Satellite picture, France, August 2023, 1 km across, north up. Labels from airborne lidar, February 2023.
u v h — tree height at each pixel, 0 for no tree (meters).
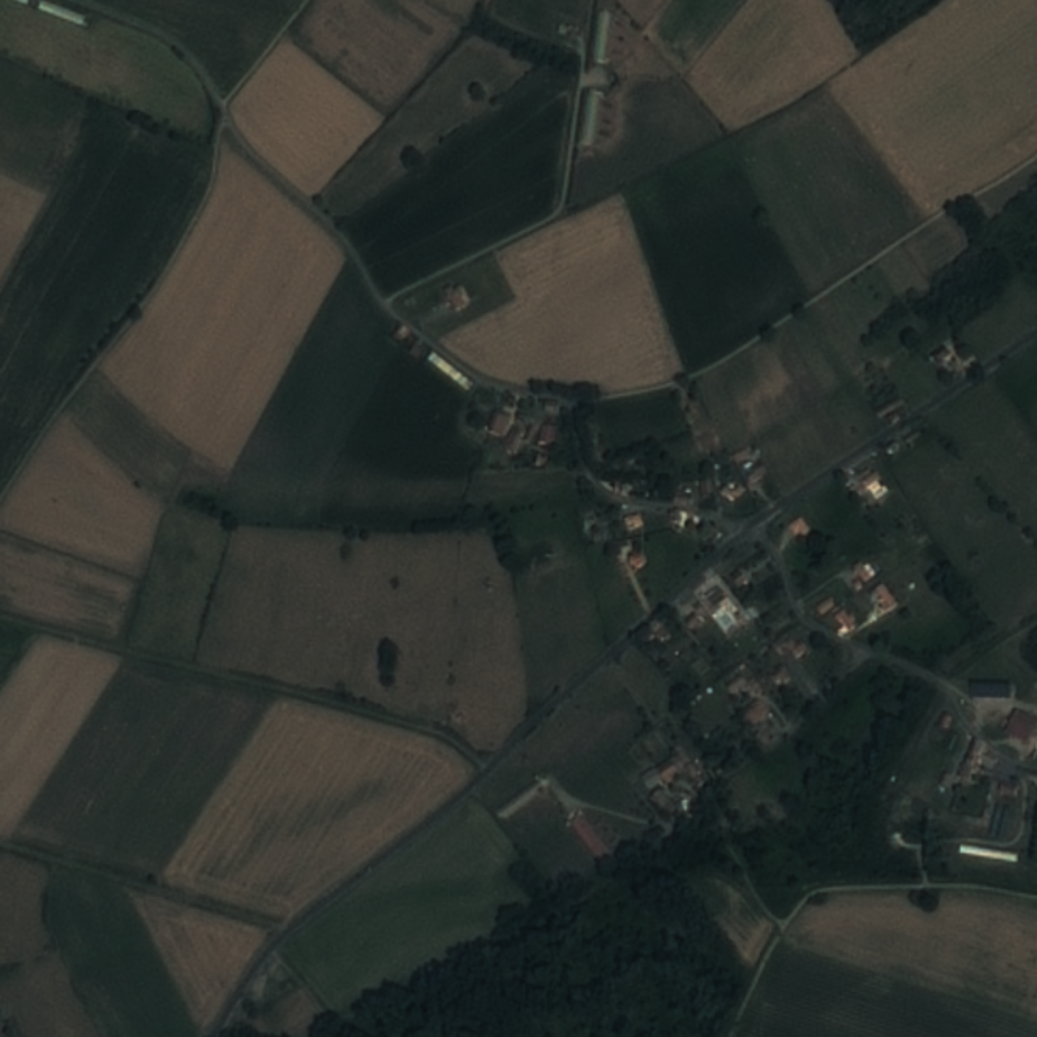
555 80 0
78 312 0
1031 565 0
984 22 0
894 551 0
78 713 0
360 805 0
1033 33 0
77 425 0
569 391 11
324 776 0
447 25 0
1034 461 0
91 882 0
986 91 0
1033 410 0
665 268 0
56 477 0
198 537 0
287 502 0
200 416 0
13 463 0
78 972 0
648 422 0
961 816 0
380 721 0
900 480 0
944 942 0
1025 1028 0
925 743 0
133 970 0
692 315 0
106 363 0
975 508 0
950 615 0
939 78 0
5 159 0
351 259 0
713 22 0
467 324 0
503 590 0
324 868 0
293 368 0
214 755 0
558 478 0
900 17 13
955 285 9
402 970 0
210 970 0
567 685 0
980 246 11
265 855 0
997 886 0
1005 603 0
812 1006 0
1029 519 0
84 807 0
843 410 0
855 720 0
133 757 0
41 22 0
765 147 0
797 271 0
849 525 0
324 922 0
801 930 0
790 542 0
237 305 0
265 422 0
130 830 0
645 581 0
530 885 9
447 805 0
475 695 0
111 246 0
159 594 0
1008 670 0
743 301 0
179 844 0
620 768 0
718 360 0
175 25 0
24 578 0
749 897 0
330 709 0
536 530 0
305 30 0
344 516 0
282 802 0
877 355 0
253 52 0
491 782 0
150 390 0
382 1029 30
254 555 0
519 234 0
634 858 20
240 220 0
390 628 0
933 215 0
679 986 14
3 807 0
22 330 0
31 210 0
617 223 0
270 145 0
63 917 0
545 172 0
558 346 0
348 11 0
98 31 0
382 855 0
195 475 0
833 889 0
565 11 0
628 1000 28
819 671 0
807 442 0
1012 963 0
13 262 0
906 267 0
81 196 0
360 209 0
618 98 0
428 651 0
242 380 0
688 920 38
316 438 0
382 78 0
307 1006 0
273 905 0
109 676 0
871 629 0
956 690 0
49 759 0
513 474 0
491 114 0
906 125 0
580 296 0
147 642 0
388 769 0
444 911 0
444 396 0
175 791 0
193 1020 0
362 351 0
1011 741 0
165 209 0
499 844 0
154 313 0
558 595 0
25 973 0
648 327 0
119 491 0
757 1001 0
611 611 0
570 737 0
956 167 0
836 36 0
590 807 0
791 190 0
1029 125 0
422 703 0
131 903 0
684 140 0
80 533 0
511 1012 41
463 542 0
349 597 0
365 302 0
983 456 0
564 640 0
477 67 0
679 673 0
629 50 0
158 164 0
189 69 0
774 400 0
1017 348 0
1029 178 0
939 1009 0
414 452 0
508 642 0
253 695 0
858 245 0
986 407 0
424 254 0
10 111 0
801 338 0
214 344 0
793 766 0
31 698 0
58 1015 0
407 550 0
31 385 0
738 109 0
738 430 0
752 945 0
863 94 0
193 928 0
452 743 0
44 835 0
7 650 0
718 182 0
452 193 0
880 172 0
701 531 11
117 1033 0
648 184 0
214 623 0
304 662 0
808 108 0
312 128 0
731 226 0
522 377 0
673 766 0
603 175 0
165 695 0
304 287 0
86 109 0
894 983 0
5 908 0
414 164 16
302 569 0
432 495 0
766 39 0
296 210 0
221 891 0
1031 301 0
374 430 0
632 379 0
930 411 0
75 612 0
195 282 0
